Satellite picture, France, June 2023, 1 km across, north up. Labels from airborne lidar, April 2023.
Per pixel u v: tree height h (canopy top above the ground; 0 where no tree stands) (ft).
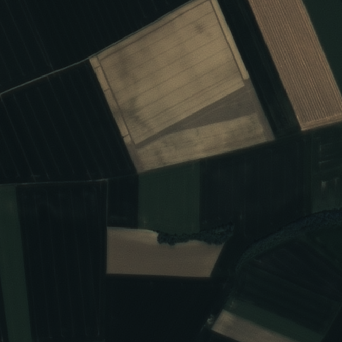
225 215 0
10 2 0
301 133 0
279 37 0
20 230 0
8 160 0
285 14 0
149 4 0
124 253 0
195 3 0
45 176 0
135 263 0
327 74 0
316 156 0
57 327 0
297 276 0
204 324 0
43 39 0
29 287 0
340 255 0
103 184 0
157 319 0
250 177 0
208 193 0
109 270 0
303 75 0
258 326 0
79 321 0
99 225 0
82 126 0
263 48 0
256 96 0
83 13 0
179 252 0
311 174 0
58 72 0
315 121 0
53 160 0
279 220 0
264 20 0
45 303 0
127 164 0
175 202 0
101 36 0
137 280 0
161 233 20
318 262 0
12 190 0
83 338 0
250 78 0
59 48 0
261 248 27
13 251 0
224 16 0
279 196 0
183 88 0
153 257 0
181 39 0
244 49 0
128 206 0
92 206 0
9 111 0
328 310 0
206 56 0
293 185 0
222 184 0
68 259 0
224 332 0
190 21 0
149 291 0
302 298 0
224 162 0
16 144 0
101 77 0
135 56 0
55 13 0
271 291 0
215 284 0
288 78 0
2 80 0
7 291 0
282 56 0
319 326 0
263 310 0
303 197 0
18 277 0
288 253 0
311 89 0
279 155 0
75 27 0
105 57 0
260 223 0
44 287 0
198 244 0
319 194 0
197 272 0
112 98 0
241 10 0
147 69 0
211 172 0
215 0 0
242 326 0
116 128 0
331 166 0
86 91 0
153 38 0
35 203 0
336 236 0
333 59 0
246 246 0
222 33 0
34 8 0
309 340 0
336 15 0
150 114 0
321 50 0
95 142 0
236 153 0
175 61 0
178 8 0
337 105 0
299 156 0
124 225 0
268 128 0
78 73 0
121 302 0
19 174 0
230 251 0
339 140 0
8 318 0
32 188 0
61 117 0
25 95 0
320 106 0
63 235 0
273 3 0
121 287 0
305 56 0
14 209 0
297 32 0
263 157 0
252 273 0
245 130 0
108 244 0
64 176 0
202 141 0
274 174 0
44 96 0
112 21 0
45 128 0
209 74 0
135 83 0
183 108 0
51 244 0
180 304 0
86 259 0
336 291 0
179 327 0
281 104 0
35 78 0
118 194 0
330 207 0
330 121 0
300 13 0
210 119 0
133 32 0
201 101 0
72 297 0
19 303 0
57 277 0
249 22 0
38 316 0
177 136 0
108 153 0
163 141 0
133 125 0
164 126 0
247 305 0
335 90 0
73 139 0
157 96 0
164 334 0
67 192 0
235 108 0
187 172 0
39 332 0
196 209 0
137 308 0
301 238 0
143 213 0
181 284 0
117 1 0
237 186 0
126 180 0
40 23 0
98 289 0
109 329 0
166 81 0
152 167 0
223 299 0
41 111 0
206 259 0
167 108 0
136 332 0
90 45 0
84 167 0
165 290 0
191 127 0
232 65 0
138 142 0
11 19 0
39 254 0
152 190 0
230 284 0
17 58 0
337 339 0
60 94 0
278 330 0
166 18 0
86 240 0
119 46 0
